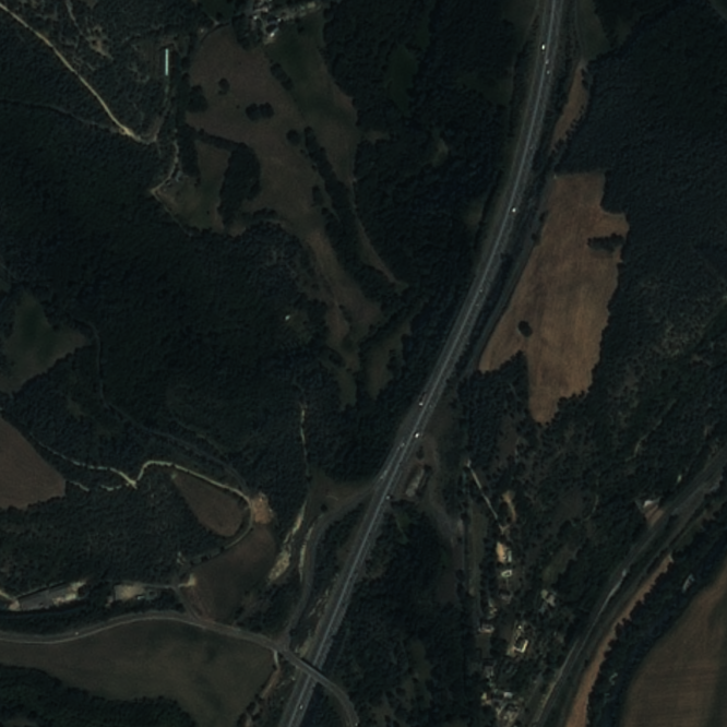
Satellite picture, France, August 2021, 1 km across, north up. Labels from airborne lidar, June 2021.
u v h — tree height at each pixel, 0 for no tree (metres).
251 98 0
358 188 10
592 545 10
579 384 0
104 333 14
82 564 9
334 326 0
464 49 15
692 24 25
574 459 12
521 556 9
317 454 12
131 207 18
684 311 10
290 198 0
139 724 14
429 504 0
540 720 0
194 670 0
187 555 10
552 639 6
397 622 23
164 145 6
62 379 8
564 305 0
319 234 0
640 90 14
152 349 18
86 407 6
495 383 12
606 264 0
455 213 13
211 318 20
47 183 25
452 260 19
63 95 15
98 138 8
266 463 9
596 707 18
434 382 0
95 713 14
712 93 18
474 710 15
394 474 0
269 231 14
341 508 0
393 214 21
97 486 7
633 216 14
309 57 0
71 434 11
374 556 9
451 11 18
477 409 11
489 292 0
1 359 11
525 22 0
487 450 11
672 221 14
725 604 0
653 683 0
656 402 16
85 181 11
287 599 8
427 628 15
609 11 10
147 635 0
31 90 14
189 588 0
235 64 0
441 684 29
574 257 0
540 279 0
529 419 11
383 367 0
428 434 0
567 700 0
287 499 14
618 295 9
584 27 0
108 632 0
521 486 10
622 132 16
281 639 0
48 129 11
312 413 5
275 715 8
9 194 15
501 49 13
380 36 17
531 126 0
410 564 24
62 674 0
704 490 0
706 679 0
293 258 9
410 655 11
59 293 15
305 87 0
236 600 0
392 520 13
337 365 21
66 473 11
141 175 14
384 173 18
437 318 12
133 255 16
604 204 9
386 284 17
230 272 15
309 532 0
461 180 19
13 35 11
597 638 0
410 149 17
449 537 0
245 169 15
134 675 0
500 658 14
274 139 0
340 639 6
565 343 0
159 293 22
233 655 0
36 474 0
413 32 23
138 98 6
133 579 11
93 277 10
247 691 0
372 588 18
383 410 8
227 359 17
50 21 8
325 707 8
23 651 0
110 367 19
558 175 10
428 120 10
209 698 0
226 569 0
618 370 6
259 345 15
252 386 6
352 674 7
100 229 13
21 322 0
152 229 14
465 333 0
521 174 0
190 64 14
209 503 0
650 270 10
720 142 18
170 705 7
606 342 12
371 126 15
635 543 14
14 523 7
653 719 0
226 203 13
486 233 6
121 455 10
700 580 16
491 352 0
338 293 0
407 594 17
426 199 14
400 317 13
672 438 5
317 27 0
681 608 8
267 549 0
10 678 9
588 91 9
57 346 0
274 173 0
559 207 0
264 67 0
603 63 16
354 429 26
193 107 14
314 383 14
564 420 13
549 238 0
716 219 10
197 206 0
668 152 17
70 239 27
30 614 9
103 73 9
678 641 0
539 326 0
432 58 18
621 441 13
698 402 11
